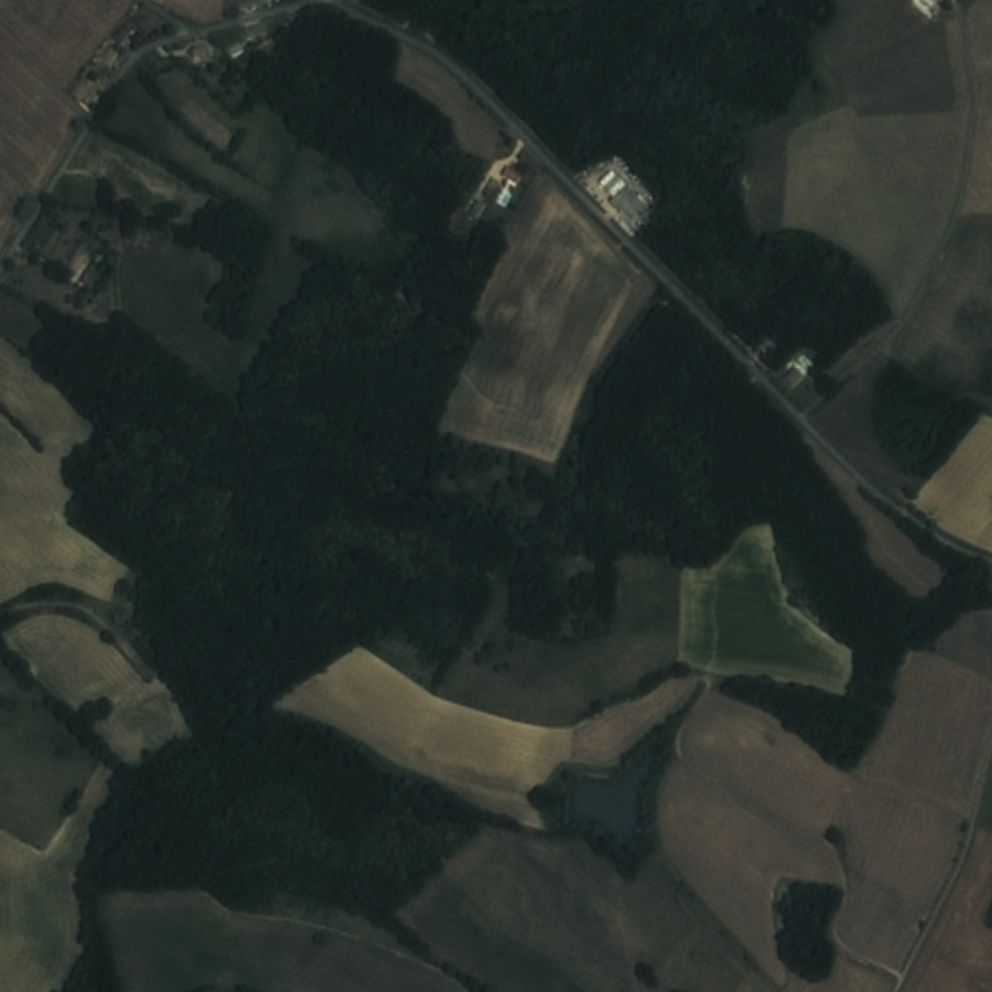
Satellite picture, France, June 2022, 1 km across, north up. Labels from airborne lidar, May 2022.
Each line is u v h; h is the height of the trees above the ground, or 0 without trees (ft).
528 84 58
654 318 54
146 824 55
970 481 0
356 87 62
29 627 0
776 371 42
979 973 0
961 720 0
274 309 0
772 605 0
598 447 59
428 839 68
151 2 0
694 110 69
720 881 0
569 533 39
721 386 45
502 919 0
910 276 0
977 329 0
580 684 0
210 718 45
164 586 69
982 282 0
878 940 0
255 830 33
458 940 0
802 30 53
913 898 0
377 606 51
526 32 72
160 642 65
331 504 75
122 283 0
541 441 0
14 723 0
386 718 0
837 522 51
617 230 0
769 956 0
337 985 0
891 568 0
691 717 0
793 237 51
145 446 50
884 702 62
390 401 52
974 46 0
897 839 0
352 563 66
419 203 57
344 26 54
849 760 53
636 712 0
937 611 47
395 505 79
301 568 71
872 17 0
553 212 0
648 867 0
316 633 68
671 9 48
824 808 0
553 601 33
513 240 0
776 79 68
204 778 18
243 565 75
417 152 52
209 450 69
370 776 28
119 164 0
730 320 57
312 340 65
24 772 0
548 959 0
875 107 0
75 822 0
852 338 58
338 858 48
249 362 0
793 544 22
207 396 53
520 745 0
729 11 72
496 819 80
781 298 66
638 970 37
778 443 42
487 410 0
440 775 0
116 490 68
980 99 0
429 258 74
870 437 0
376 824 62
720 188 38
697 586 0
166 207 37
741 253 85
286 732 22
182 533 53
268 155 0
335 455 76
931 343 0
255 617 98
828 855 0
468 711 0
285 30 47
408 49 0
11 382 0
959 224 0
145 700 0
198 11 0
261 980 0
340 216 0
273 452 82
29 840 0
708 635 0
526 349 0
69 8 0
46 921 0
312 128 66
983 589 46
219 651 68
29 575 0
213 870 33
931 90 0
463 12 24
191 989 0
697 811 0
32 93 0
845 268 49
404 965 0
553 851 0
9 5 0
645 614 0
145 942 0
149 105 0
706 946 0
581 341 0
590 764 0
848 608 38
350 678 0
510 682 0
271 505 87
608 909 0
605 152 52
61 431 0
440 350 63
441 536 59
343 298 78
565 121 58
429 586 65
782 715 54
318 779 18
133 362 67
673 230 37
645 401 60
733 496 53
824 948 60
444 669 39
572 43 61
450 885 0
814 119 0
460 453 68
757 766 0
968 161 0
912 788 0
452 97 0
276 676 74
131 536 67
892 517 26
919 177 0
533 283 0
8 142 0
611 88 69
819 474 39
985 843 0
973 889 0
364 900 48
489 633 0
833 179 0
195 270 0
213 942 0
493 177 0
